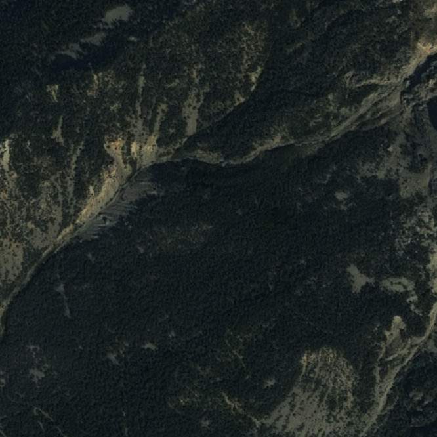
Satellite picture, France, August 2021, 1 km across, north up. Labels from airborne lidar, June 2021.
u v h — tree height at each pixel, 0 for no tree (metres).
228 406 6
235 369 7
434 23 0
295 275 8
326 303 14
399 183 0
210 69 11
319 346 9
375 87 10
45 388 8
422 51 0
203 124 10
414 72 0
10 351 6
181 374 10
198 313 13
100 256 7
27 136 9
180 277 10
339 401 9
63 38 14
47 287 11
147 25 6
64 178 8
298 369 6
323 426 0
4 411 13
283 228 13
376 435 6
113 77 6
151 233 6
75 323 11
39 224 6
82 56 9
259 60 7
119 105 6
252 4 9
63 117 8
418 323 9
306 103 7
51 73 8
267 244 9
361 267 8
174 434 12
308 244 13
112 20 0
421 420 7
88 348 15
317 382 8
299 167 7
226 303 7
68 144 8
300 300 10
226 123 8
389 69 14
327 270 12
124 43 6
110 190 0
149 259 7
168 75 8
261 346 10
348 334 12
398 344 0
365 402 5
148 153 0
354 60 10
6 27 12
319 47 8
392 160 0
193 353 8
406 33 6
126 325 11
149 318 8
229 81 12
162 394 16
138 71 13
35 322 6
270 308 8
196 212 6
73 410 10
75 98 9
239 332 7
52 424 11
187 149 7
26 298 9
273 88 10
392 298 11
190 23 7
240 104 8
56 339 9
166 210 7
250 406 9
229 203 6
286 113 8
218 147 6
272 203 12
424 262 8
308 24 7
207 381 7
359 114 0
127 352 6
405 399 6
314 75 9
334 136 0
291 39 6
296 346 6
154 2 7
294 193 10
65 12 11
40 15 7
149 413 15
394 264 9
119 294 13
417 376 10
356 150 8
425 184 0
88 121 9
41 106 14
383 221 10
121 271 11
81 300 9
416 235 7
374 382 7
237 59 10
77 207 6
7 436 11
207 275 10
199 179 15
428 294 10
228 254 10
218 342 11
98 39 0
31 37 12
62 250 6
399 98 0
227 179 7
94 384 12
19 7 14
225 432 8
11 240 6
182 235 6
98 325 10
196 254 11
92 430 18
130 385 11
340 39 6
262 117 8
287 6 6
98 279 8
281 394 8
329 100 7
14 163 9
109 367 12
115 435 16
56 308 10
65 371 7
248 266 12
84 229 0
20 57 15
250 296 11
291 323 12
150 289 12
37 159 8
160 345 10
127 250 8
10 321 6
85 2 8
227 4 11
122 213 0
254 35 8
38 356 7
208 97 16
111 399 7
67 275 7
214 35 18
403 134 0
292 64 6
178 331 13
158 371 18
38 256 7
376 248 8
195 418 12
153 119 10
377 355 6
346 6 6
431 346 0
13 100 6
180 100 9
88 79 5
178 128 13
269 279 11
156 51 11
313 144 0
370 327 11
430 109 0
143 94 13
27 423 13
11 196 6
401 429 10
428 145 0
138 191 0
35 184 11
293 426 0
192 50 10
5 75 14
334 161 9
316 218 7
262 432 7
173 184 7
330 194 6
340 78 8
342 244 11
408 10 6
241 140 13
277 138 0
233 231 12
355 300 11
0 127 12
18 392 9
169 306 11
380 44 11
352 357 9
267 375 9
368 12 7
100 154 12
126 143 6
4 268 0
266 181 6
